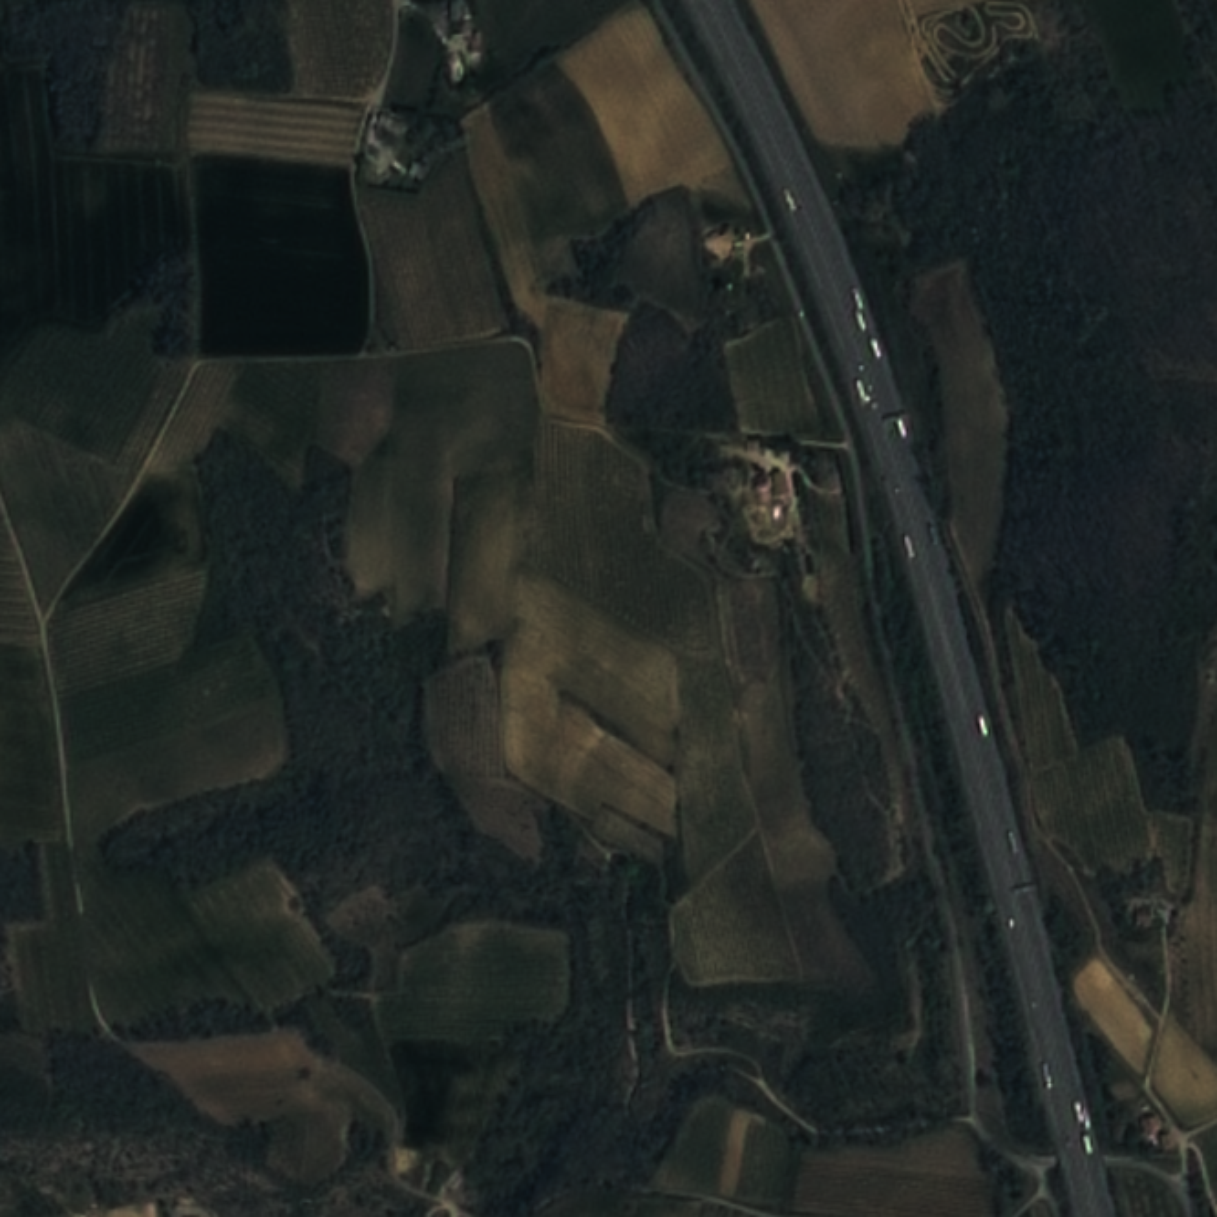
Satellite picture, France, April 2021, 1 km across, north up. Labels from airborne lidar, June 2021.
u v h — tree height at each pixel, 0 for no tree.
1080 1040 14
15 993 6
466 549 0
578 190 0
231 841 15
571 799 0
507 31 0
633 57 0
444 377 0
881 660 14
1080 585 17
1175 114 16
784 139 0
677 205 0
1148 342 16
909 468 0
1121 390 15
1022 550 18
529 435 0
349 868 7
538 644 0
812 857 0
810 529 14
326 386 0
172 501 0
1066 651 16
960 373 0
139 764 0
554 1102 14
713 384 16
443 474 0
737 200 0
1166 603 18
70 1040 10
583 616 0
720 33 0
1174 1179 0
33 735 0
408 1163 0
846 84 0
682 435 13
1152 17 0
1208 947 0
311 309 0
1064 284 20
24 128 0
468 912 9
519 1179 10
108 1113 12
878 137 0
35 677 0
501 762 0
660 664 0
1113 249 15
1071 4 7
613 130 0
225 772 0
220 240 0
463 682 0
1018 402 10
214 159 0
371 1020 6
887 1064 7
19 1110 11
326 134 0
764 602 0
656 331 10
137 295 11
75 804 0
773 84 0
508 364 0
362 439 0
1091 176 17
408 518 0
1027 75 10
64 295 0
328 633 14
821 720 9
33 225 0
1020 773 0
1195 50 12
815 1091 14
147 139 8
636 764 0
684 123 0
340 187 0
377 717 12
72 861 0
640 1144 17
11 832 0
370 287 0
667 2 9
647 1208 0
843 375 8
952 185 17
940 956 12
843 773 6
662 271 0
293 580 11
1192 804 8
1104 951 0
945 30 0
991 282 10
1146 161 21
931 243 15
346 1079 0
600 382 0
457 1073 0
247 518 23
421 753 16
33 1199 15
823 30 0
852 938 13
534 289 0
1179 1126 0
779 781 0
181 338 15
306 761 8
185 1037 13
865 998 9
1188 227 21
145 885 0
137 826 11
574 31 0
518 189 0
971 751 0
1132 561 19
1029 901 0
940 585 0
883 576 11
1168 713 15
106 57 14
